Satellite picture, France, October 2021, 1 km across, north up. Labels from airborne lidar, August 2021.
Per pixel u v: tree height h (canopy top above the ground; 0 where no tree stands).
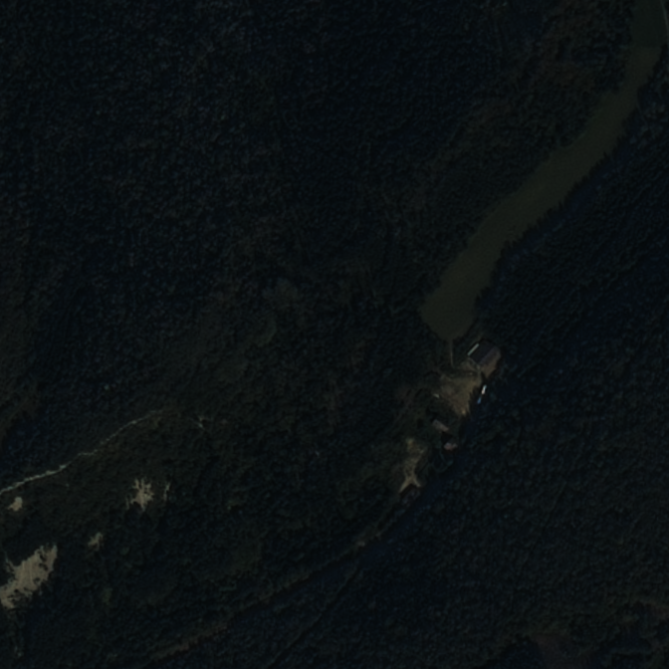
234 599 26
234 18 7
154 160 11
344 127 25
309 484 21
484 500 12
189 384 15
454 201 17
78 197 24
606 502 12
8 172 13
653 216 25
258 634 18
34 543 23
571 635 19
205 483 28
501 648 15
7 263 16
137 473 9
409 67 13
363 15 15
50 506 19
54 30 21
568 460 11
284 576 16
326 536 21
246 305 15
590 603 12
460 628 12
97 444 11
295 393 17
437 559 15
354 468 20
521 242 0
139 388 11
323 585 16
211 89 18
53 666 26
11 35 14
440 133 10
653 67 0
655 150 27
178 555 21
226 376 21
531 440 17
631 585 14
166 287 19
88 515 19
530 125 17
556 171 0
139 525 21
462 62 23
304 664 15
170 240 12
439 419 0
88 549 9
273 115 10
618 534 15
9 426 0
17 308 17
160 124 12
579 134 17
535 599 9
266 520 21
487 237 0
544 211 0
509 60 7
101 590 18
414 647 13
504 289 24
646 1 0
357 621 14
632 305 14
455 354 15
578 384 17
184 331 7
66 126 14
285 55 18
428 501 11
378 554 16
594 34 21
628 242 28
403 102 27
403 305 28
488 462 18
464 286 0
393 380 25
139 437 14
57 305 20
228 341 13
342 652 13
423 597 16
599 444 17
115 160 12
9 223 9
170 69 6
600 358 16
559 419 11
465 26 13
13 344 12
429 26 29
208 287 8
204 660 9
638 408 12
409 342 23
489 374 0
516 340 18
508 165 13
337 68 6
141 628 22
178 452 12
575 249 28
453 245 20
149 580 24
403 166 25
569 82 18
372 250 25
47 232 16
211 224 23
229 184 18
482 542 12
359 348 33
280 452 26
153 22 9
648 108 18
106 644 27
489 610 14
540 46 26
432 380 7
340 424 20
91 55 14
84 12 20
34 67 8
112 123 12
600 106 13
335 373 31
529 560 7
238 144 8
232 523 21
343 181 25
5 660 27
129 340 9
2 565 12
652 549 11
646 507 14
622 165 16
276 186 24
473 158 15
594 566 12
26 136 17
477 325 21
